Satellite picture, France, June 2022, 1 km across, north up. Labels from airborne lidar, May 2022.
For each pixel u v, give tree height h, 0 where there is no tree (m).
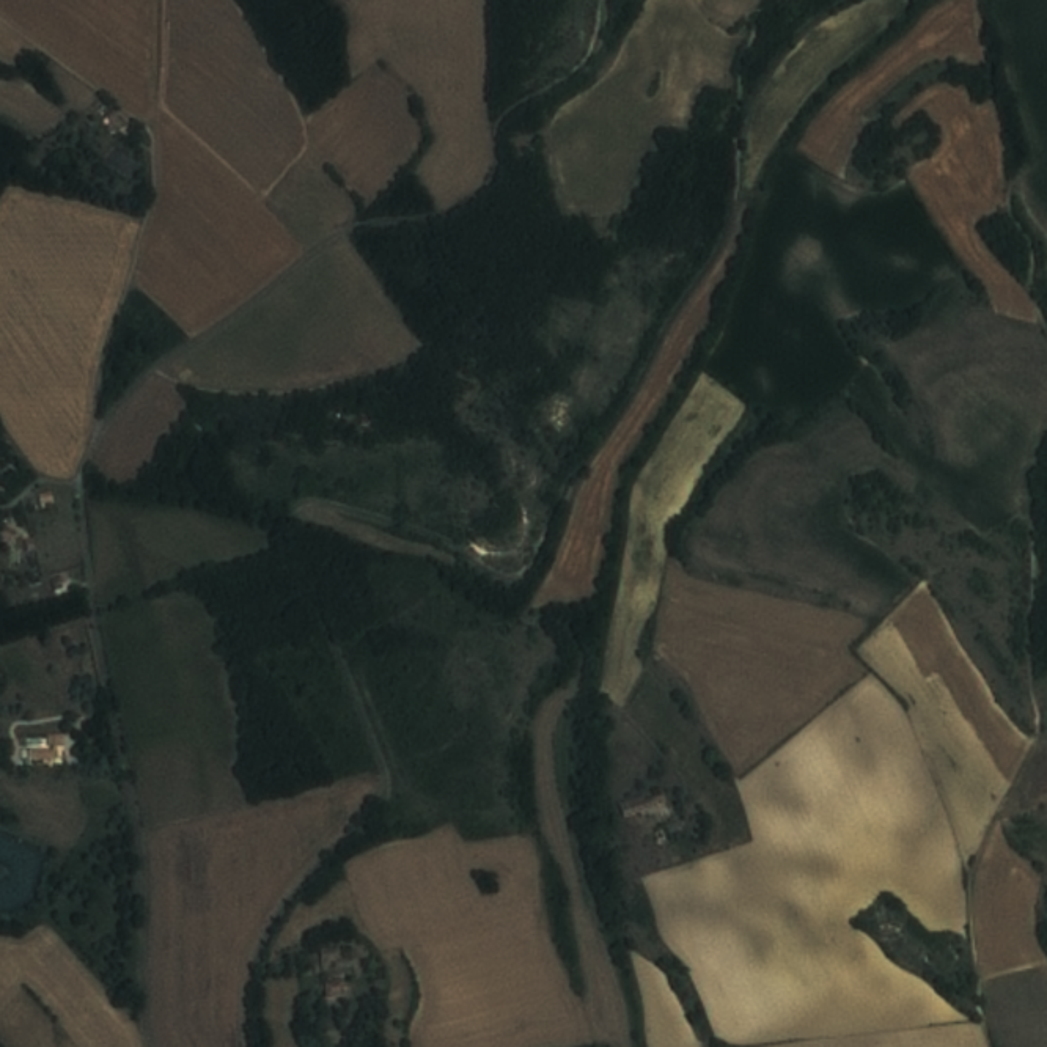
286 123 0
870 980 0
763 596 0
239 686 15
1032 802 0
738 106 7
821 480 0
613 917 11
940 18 0
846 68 9
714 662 0
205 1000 0
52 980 0
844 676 0
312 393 7
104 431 0
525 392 11
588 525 0
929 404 0
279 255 0
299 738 16
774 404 0
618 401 10
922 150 6
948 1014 0
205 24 0
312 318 0
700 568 0
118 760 18
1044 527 13
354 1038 13
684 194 8
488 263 14
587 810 17
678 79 0
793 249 0
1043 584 10
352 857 16
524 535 0
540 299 8
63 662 0
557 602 11
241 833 0
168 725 0
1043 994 0
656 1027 0
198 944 0
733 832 0
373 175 0
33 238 0
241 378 0
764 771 0
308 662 9
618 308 0
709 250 7
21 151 16
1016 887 0
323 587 17
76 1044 0
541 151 7
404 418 10
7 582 6
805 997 0
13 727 0
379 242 9
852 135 0
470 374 8
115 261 0
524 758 7
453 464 8
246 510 16
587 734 20
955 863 0
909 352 0
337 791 0
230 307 0
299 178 0
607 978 0
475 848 0
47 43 0
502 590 11
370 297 0
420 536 10
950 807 0
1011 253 12
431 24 0
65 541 0
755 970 0
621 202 0
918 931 6
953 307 0
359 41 0
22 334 0
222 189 0
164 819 0
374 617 13
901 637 0
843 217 0
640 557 0
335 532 9
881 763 0
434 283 11
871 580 0
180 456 10
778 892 0
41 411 0
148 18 0
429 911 0
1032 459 0
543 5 10
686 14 0
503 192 11
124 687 0
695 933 0
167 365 0
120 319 10
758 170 0
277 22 14
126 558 0
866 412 10
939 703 0
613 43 8
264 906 0
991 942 0
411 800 0
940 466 0
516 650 0
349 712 0
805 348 0
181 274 0
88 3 0
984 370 0
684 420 0
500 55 12
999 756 0
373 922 0
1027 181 0
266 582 17
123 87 0
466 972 0
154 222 0
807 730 0
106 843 7
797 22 11
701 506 12
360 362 0
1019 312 0
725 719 0
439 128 0
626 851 9
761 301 0
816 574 0
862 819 0
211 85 0
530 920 0
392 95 0
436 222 12
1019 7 0
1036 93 0
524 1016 0
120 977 7
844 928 0
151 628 0
